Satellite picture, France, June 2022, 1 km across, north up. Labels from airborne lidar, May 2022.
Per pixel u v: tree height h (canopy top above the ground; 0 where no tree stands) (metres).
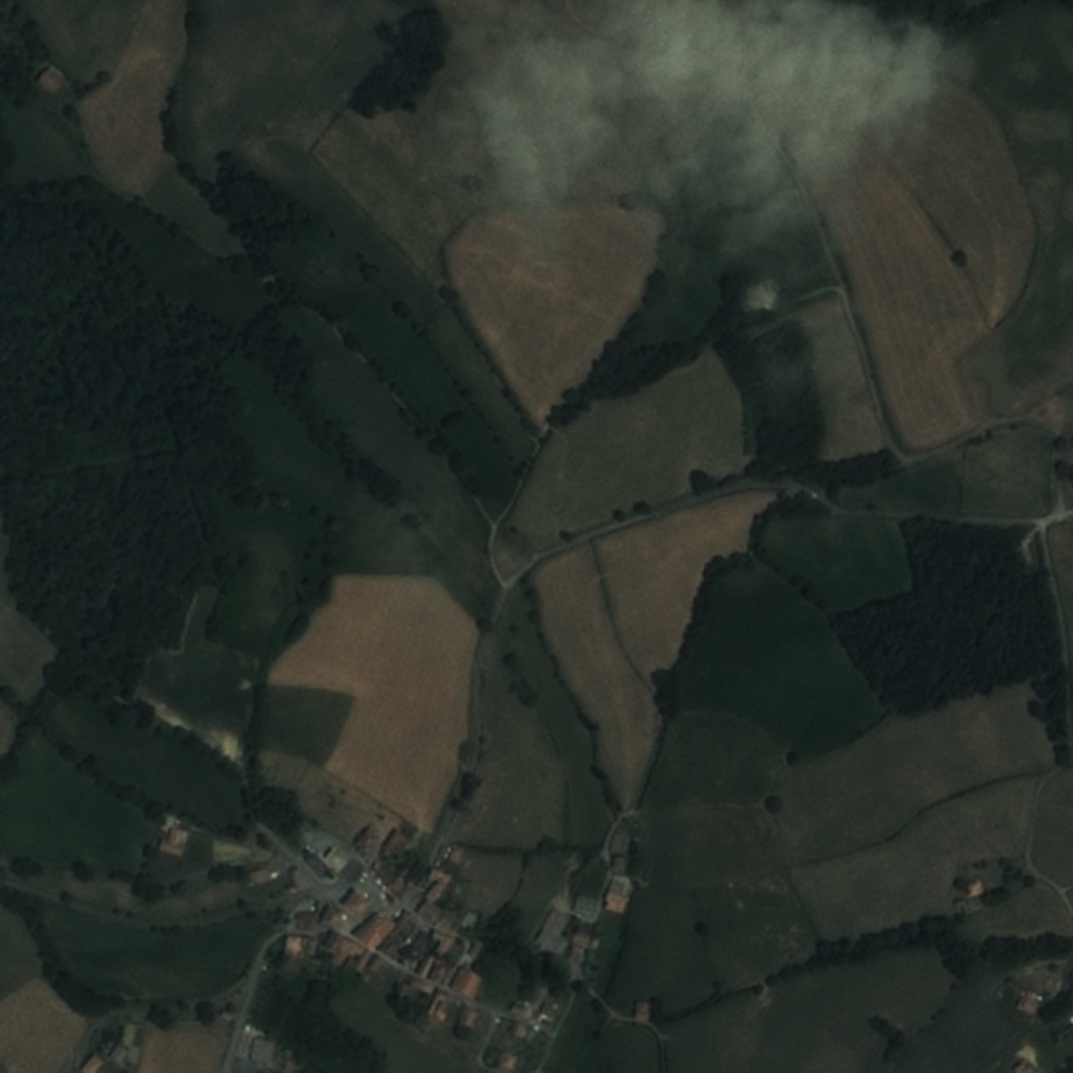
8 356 15
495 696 0
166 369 23
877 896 0
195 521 16
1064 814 0
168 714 0
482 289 0
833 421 0
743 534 0
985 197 0
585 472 0
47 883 0
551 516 0
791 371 10
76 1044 0
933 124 0
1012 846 0
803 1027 0
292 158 0
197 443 22
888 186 0
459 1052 0
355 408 0
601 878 0
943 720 0
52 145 0
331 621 0
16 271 25
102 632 18
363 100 20
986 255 0
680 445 0
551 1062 0
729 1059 0
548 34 0
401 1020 8
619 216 0
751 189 0
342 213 0
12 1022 0
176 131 14
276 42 0
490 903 0
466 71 0
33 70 9
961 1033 0
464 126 0
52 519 19
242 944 0
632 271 0
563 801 0
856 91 0
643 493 0
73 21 0
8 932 0
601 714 0
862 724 0
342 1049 7
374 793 0
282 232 21
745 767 0
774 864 0
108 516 16
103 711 9
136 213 9
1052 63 0
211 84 0
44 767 0
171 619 15
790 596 0
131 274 9
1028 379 0
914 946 18
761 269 0
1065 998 10
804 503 15
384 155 0
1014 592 12
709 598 12
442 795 0
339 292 0
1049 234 0
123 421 10
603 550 0
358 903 0
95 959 0
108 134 0
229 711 0
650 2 0
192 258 0
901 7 15
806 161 0
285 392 11
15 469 15
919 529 15
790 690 0
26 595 14
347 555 0
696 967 0
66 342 22
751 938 0
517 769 0
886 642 19
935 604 15
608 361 15
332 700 0
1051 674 14
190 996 0
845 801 0
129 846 0
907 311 0
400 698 0
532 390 0
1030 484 0
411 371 0
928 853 0
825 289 0
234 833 9
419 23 20
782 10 9
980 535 13
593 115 0
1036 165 0
